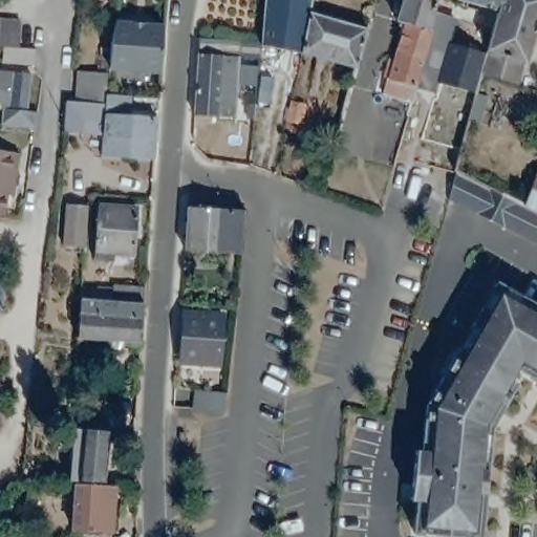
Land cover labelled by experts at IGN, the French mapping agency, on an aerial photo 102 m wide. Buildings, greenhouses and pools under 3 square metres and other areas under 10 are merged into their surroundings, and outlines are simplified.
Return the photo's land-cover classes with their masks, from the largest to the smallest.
<instances>
[{"label":"impervious surface","instance_id":"1","mask_svg":"<svg viewBox=\"0 0 537 537\"><path fill-rule=\"evenodd\" d=\"M73 19V0H44L42 4H38L34 19L27 23L23 27L21 46L29 48L36 55L34 76L42 78V94L38 109L29 111H17L10 120H4L2 124L6 128H25L31 132L29 143L34 147L29 151L21 149L19 153V182L6 199V206L13 208L10 216L15 220L21 218L29 193L46 191L50 195L57 141L59 132L65 130L67 103L76 99V92L71 90V57L69 31ZM126 6L109 17L105 31L99 36V48L94 59V63L99 65L96 73H107L111 71V40L115 21L130 19L153 23L164 21V52L159 73L162 92L166 94L164 141L162 149H153V162L151 195L145 283L143 285L141 294L143 302V317L149 319V342L147 361H141L136 403L134 430L136 436L147 443V451L145 466H141L136 472V480L141 485V503L136 508V514H132L130 537H409L413 531L411 522L415 520V461L417 451L422 447L424 422L428 417V413L424 411V396L436 394L434 388L441 384V369L445 359L453 363L451 357L455 355L459 344H464V331L468 327H474L482 304L493 294L497 279L512 283V287L520 292H535L537 298V214L508 199L493 203L461 187H455V170H461L464 164L457 162L449 164L447 151L451 147L447 143L430 138L434 103L441 101L443 90L449 84H438L432 92L424 90V103L405 105L399 101L382 99L401 42L399 10L403 0H386V4L375 13V23L371 29V42L365 52L363 65L359 67L357 63L350 67L352 84L346 90L340 124V132L346 136L348 151L359 153L363 159L375 157L388 162L392 178L384 185L382 197L375 201L382 208L380 216H369L365 212L348 208L342 210L338 206L304 197L294 189L269 180L266 176H260L256 172L208 170L199 166L189 151L182 149L185 105L189 103L187 67L191 38L201 40V36L203 27H227L233 34H256V0H122ZM189 208L243 210L241 241L250 245L243 304L241 315L231 413L222 422L206 424L201 428V438L193 445L187 443L185 426L187 420L195 413V394L178 392L176 405L172 403V361H178L182 344V315L189 308L176 302L178 292L182 252L180 239L187 237ZM422 218L438 227L436 235L441 237L436 269L430 287H426L428 300L424 317L415 319V325L428 331V338L422 344V348L411 355V369H407V405L394 411V420L388 428L380 422L361 420L357 422L359 430L355 434L352 455L348 464V470L355 472V485H342L338 522H334L329 520L331 503L327 497V487L336 478L334 461H342V443L346 441L344 411L340 409L342 401L361 403V392H365L369 386L375 384L378 390H388L390 386L401 340L409 336V331L405 329V321H413V310L417 308L411 300L420 292V273L424 269V260L420 258L424 254V245L413 239L411 233V229ZM283 241L285 245H289V252L294 256L306 250L308 243L317 256L323 254L346 262L350 260V252L355 250V245L363 243L367 252V271L359 283L357 279H350L348 273H338L331 292L334 308L325 310L321 327V348L315 363L317 373L327 375L329 384H323L310 392L300 394H289L292 384L287 371H296L300 363L292 359V350L294 344L302 338V334H298L292 327V321L294 315L304 306L296 298H292V287H302L306 277L292 271L275 262L273 250L275 243ZM197 457L201 459L203 476L210 480V497L214 499V524L203 531H193L178 524V506H182L185 499V461H195ZM438 13H453V17L459 21L474 19L480 34L491 40L495 10L480 8L474 15L472 8H461L453 0H438ZM73 136L78 141V149L67 147L65 153V187L69 193L84 195V189L92 185L122 191H145L143 180H122L117 178V170L109 168V159L122 157L103 155L107 132L99 130V136L92 134V138L84 132H76ZM180 378L195 382L206 380L208 384H218L220 367L185 365H180ZM529 438L537 445V380L527 371H522L516 378V394L506 407L495 432L487 436V459L491 461L489 489L493 493L487 495L489 529L485 531V537H537V512L529 514L527 518H516L514 514H510L506 497L510 489V461L514 457L516 445Z\"/></svg>","mask_w":537,"mask_h":537},{"label":"building","instance_id":"2","mask_svg":"<svg viewBox=\"0 0 537 537\"><path fill-rule=\"evenodd\" d=\"M310 0H256V42L260 46L210 40L201 36V40L191 38L187 67L189 103L191 113L235 115L237 99H243V105H256L258 99L262 103H271L273 76L271 71L260 69V57L264 55V50L269 46H275L285 50H304V57H315L317 61L350 67L357 63L359 67L363 65L365 52L371 42V29L367 25L331 17L325 13H310ZM461 8H472L474 15L480 8L495 10L491 40L487 52L453 44L451 38L453 31L459 27V21L453 17V13H438V0H403L399 10L401 42L382 99L399 101L405 105L424 103V90L432 92L438 84H449L464 88L466 94L474 92L470 117L478 124H487L491 99L482 94L485 90H476L478 76L501 73V78L510 82L531 86V65L537 63V0H453ZM27 23L19 19V15L15 19H0V128L4 120H10L17 111H29L27 82L29 73L34 76L36 55L29 48L21 46L23 27ZM164 52V21L153 23L130 19L115 21L111 40V71L115 73V78L136 84H147L151 76L159 73ZM166 94L162 92L159 96L111 94V90H107V73H96L82 71L78 78L76 92V99L67 103L65 130L73 136L76 132H84L92 138V134L99 136V130L107 132L103 155L122 157H130L136 162H153V149H162L164 141ZM308 107L304 103H294L289 107L287 124H298L304 120ZM19 182V153L0 149V222L15 220L10 216L13 208L6 206V199ZM455 187H461L493 203L508 199L537 214V178L529 199H520L510 193H503L501 197L495 191H491L489 185L480 182L476 176H470L461 170H455ZM145 206L101 203L96 220V254L92 256V260L113 262L115 258H128L134 264L136 245L143 237ZM61 245H73L78 250L82 252L88 248V208L67 206L65 237H61ZM243 210L189 208L187 237L180 239L182 252H191V245H203L208 254L216 252L218 248L231 252L241 245V241ZM453 363L445 359L441 369V384L434 388L436 394L424 396V411L428 413V417L424 422L422 447L417 451L415 461V520L411 522L413 531L409 537H485V531L489 529L487 495L493 493L489 489L491 461L487 459V436L495 432L506 407L516 394V378L522 371H527L537 380V298L535 292H520L512 287V283L497 279L493 294L482 304L474 327H468L464 331V344H459L455 355L451 357ZM115 292L141 294L143 285H115ZM143 302L99 298L82 300L80 342L94 340L109 342L111 346L115 350L124 346H134L138 350L141 361H147L149 342V319L143 317ZM227 334V315L218 310L189 308L182 315V344L178 361H182L185 365L220 367L224 357L222 338ZM224 392L201 390L195 394V413H212L222 409ZM78 447L71 449V482L76 489L73 495V531L82 537H130L132 514L128 506H124L117 499L120 487H113L120 478V472H113V449L109 432H82L80 428L76 430Z\"/></svg>","mask_w":537,"mask_h":537},{"label":"herbaceous vegetation","instance_id":"3","mask_svg":"<svg viewBox=\"0 0 537 537\"><path fill-rule=\"evenodd\" d=\"M386 4V0H310V13H325L331 17L367 25L371 29L375 23V13ZM453 44L487 52L491 40L480 34L474 19L459 21V27L453 31L451 38ZM82 52L71 57V90L76 92L78 78L82 71L96 73L99 65L94 63V59L99 48V36L92 23H84L78 29ZM352 84L350 67L317 61L315 57H304L296 59L292 92L285 101V107L277 109L271 120L264 115L271 109V103H262L258 99L256 105H243V99H237L235 115L191 113V141L203 157L229 164H252L256 168L271 170L279 143L277 126L287 124L289 107L294 103H304L308 107L304 120L298 124L294 132L285 138L292 147L285 151L283 157V170H298L294 180L298 182L308 176V172L302 166V159L294 155V147H300L304 134L317 130L319 126L340 124L346 90ZM231 134H241L248 143L229 145ZM531 86L510 82L501 78V73L478 76L476 90H485L482 94L491 99L487 124H478V132L474 136L476 153L470 155V164L493 170L499 176H510V193L520 199H529L537 178V151L524 149L520 145L518 134L512 128V122L522 120L531 111L537 113V63L531 65ZM42 94V78L34 76L29 73L27 82L29 111L38 109ZM474 92L466 94L464 88L449 84L443 90L441 101L434 103L430 138L447 143L451 147L447 151L449 164L457 162L470 117ZM31 132L25 128H6L2 124L0 128V149L19 153L21 149L29 151L34 147L29 143ZM392 178L388 162L375 157L363 159L359 153L348 151L336 157L331 176L327 178L329 187L336 189L375 201L382 197L384 185ZM109 168L117 170V178L122 180H143L145 191L151 195L153 162H136L130 157H122L109 159ZM101 203V199H94L88 208V248L82 252L86 260L84 283L71 287L67 304L63 300L52 302L57 289L50 287L46 292L44 321L50 323L52 329L48 334L36 329L34 348L29 350L36 359L29 363L25 371H19V382L25 394V409L38 417V424L31 428L27 449L29 455L38 457L29 474L31 478H42L50 474H71V449L61 453L55 445H50L48 436L44 434L42 422L55 420L59 424L67 417V403L71 396L78 394L76 367L92 365L94 369H105V350L111 346L109 342L94 340L80 342L82 300L99 298L143 302L141 294L115 292V285H143L145 283L132 279L134 264L128 258H115L113 262L92 260V256L96 254V220ZM57 264L61 269H76L78 250L73 245H61V241L55 243ZM250 245L241 241V245L231 252L227 256V266L218 264V269L214 264L203 262V256L208 254L203 245H191V252L195 269L203 275L201 292L224 296L227 285L231 281L235 254H241L237 300L243 304ZM275 262L292 271L294 256L289 252V245H285L283 241L275 243L273 250ZM321 266L310 277V281L317 287V300L306 308L310 315V327L304 334V340L308 342L304 367L308 369L310 380L302 386L292 384L289 394H300L310 392L323 384H329L327 375L317 373L315 363L321 348V327L325 310L334 308L331 292L338 273H348L350 279H357L359 283L367 271V252L363 243L355 245V250L350 252V260L346 262L323 254L317 256ZM241 315H235L231 371L229 386L224 392L222 409L212 413H195L187 420L185 426L187 443L193 445L201 438V428L206 424L222 422L231 413ZM136 403L117 394H105L96 415L84 420L80 428L82 432H109L113 449L134 430ZM346 441L342 443V461L348 464L352 455L355 434L359 430L357 422L361 420V415L355 411H344ZM38 506L44 508L50 522L57 529H61L63 535H69L73 531V495L67 493L63 499L55 495H40L38 499ZM214 499L210 497L201 520L187 518L178 512V524L193 531H203L214 524Z\"/></svg>","mask_w":537,"mask_h":537},{"label":"deciduous trees","instance_id":"4","mask_svg":"<svg viewBox=\"0 0 537 537\"><path fill-rule=\"evenodd\" d=\"M126 6L122 0H73V19L69 31L71 57L82 52L78 29L84 23H92L99 36L105 31L109 17ZM201 36L210 40L260 46L256 42V34H233L227 27H203ZM107 90H111V94L159 96L162 92L159 73L151 76L147 84H136L115 78V73L111 71L107 73ZM512 128L518 134L520 145L524 149L537 151V113L531 111L522 120L512 122ZM348 151L346 136L340 132V124L319 126L317 130L304 134L300 147H294V155L302 159V166L308 172V176L298 182L302 191L315 193L321 199H329L334 197L336 189L329 187L327 178L331 176L336 157ZM461 170L470 176H476L480 182L489 185L491 191H495L501 197L503 193H510V176H499L493 170L470 164H464ZM438 227L422 218L411 229V233L413 239L424 245H428L430 239L436 235ZM21 252L15 241L10 248L4 250V254H0V294L15 289L21 281ZM321 266L317 256L308 243L306 250L294 256L292 271L306 277L302 287H292V298H296L304 306L294 315L292 321V327L298 334H302V338L294 344L292 350V359L300 363L296 371H287L292 384L302 386L310 380L308 369L304 367L308 342L304 340V334L310 327V315L306 308L317 300V287L310 281V277ZM241 254H235L231 281L227 285L224 296L201 292H178L176 302L189 308L218 310L222 308V304L237 300ZM141 361L138 350L134 346H124L115 350L111 346L105 350V369H94L92 365L76 367L78 394L71 396L67 403V417L59 424L55 420L42 422L44 434L48 436L50 445H55L61 453L71 449L78 447L76 430L80 428L84 420L96 415L105 394H117L136 403ZM17 394L13 390L0 394V424L15 413ZM147 443L136 436L134 430L113 449V472H120V478L113 487H120L117 499L124 506H128L132 514H136V508L141 503V485L136 480V472L141 466H145L147 451ZM510 489L506 497L510 514H514L516 518H527L529 514L537 512V445L529 438L516 445L514 457L510 461ZM210 480L203 476L201 459L197 457L195 461H185V499L182 506H178V512L187 518L201 520L210 497ZM67 493L73 495L76 489L71 482V474H50L42 478H31L10 482L0 493V537H82L73 531L69 535H63L61 529H57L50 522L44 508L38 506V499L40 495H55L63 499Z\"/></svg>","mask_w":537,"mask_h":537},{"label":"brushwood","instance_id":"5","mask_svg":"<svg viewBox=\"0 0 537 537\"><path fill-rule=\"evenodd\" d=\"M478 132V124L470 117L457 162L464 164H470V155L476 153L474 136ZM298 124H287L277 126L279 143L271 170L283 178L294 180L298 170H283V157L285 151L292 147L285 138L294 132ZM67 147L78 149V141L73 136L65 130L59 132L57 141L50 195L40 264L36 329L48 334L52 329L50 323L44 321L46 292L50 287L57 289L52 302L63 300L67 304L71 287L84 283L86 260L82 252L78 250L76 269H61L57 264L55 243L61 241V237H65L67 206L88 208L94 199H101V203L145 206L143 237L136 245L134 264L132 279L145 283L151 195L145 191H122L92 185L84 189V195L69 193L65 187V153ZM348 208L365 212L369 216H380L382 208L375 201L336 189L334 197L329 199ZM441 237L436 235L430 239L428 245H424V254L420 258L424 260V269L420 273V292L411 300L417 308L413 310V321H405V329L409 331V336L401 340L390 386L388 390H378L375 384L369 386L365 392H361V403L342 401L340 409L344 411H355L361 415V420L380 422L388 428L394 420V411L407 405V369H411V355L422 348V344L428 338V331L415 325V319L424 317L428 300L426 287H430L436 269ZM231 252L218 248L216 252L208 254L203 256V262L214 264L218 269V264L227 266V256ZM203 275L195 269L191 252H182L178 292H201ZM243 304L237 300L222 304V308L218 310L227 315V334L222 338L224 357L220 367L218 384H208L206 380L195 382L180 378V365H185L182 361H172V403L176 405L178 392L195 394L201 390L224 392L229 386L231 371L235 315H241ZM38 424V417L25 409L23 436L15 468L23 474H29L38 457L29 455L27 449L31 428ZM336 478L327 487V497L331 503L329 520L334 522H338L342 485H355V472L348 470V464L342 461H334Z\"/></svg>","mask_w":537,"mask_h":537},{"label":"pervious surface","instance_id":"6","mask_svg":"<svg viewBox=\"0 0 537 537\"><path fill-rule=\"evenodd\" d=\"M44 0H0V19H15L19 15V19L27 23L34 19L38 4H42ZM304 57V50H285L275 46H269L264 50V55L260 57V69L271 71L273 76L271 103V109L264 115L271 120L277 109L285 107V101L292 92L296 59ZM182 149L189 151L199 166L208 170L256 172L260 176H266L269 180L294 189L304 197L338 206L342 210L348 208L329 199H321L315 193L302 191L298 182L294 180L283 178L271 170L256 168L252 164H229L203 157L191 141V113L189 103L185 105ZM50 195L46 191L29 193L21 218L15 220L0 222V254H4V250L10 248L15 241L21 252V281L15 289L0 294V394L13 390L17 394L15 413L0 424V493L10 482L31 478L29 474H23L15 468L23 436L25 409V394L19 382V371H25L29 363L36 359L29 350L34 348L36 329L40 264Z\"/></svg>","mask_w":537,"mask_h":537},{"label":"swimming pool","instance_id":"7","mask_svg":"<svg viewBox=\"0 0 537 537\"><path fill-rule=\"evenodd\" d=\"M248 143L241 134H231L229 145Z\"/></svg>","mask_w":537,"mask_h":537}]
</instances>
